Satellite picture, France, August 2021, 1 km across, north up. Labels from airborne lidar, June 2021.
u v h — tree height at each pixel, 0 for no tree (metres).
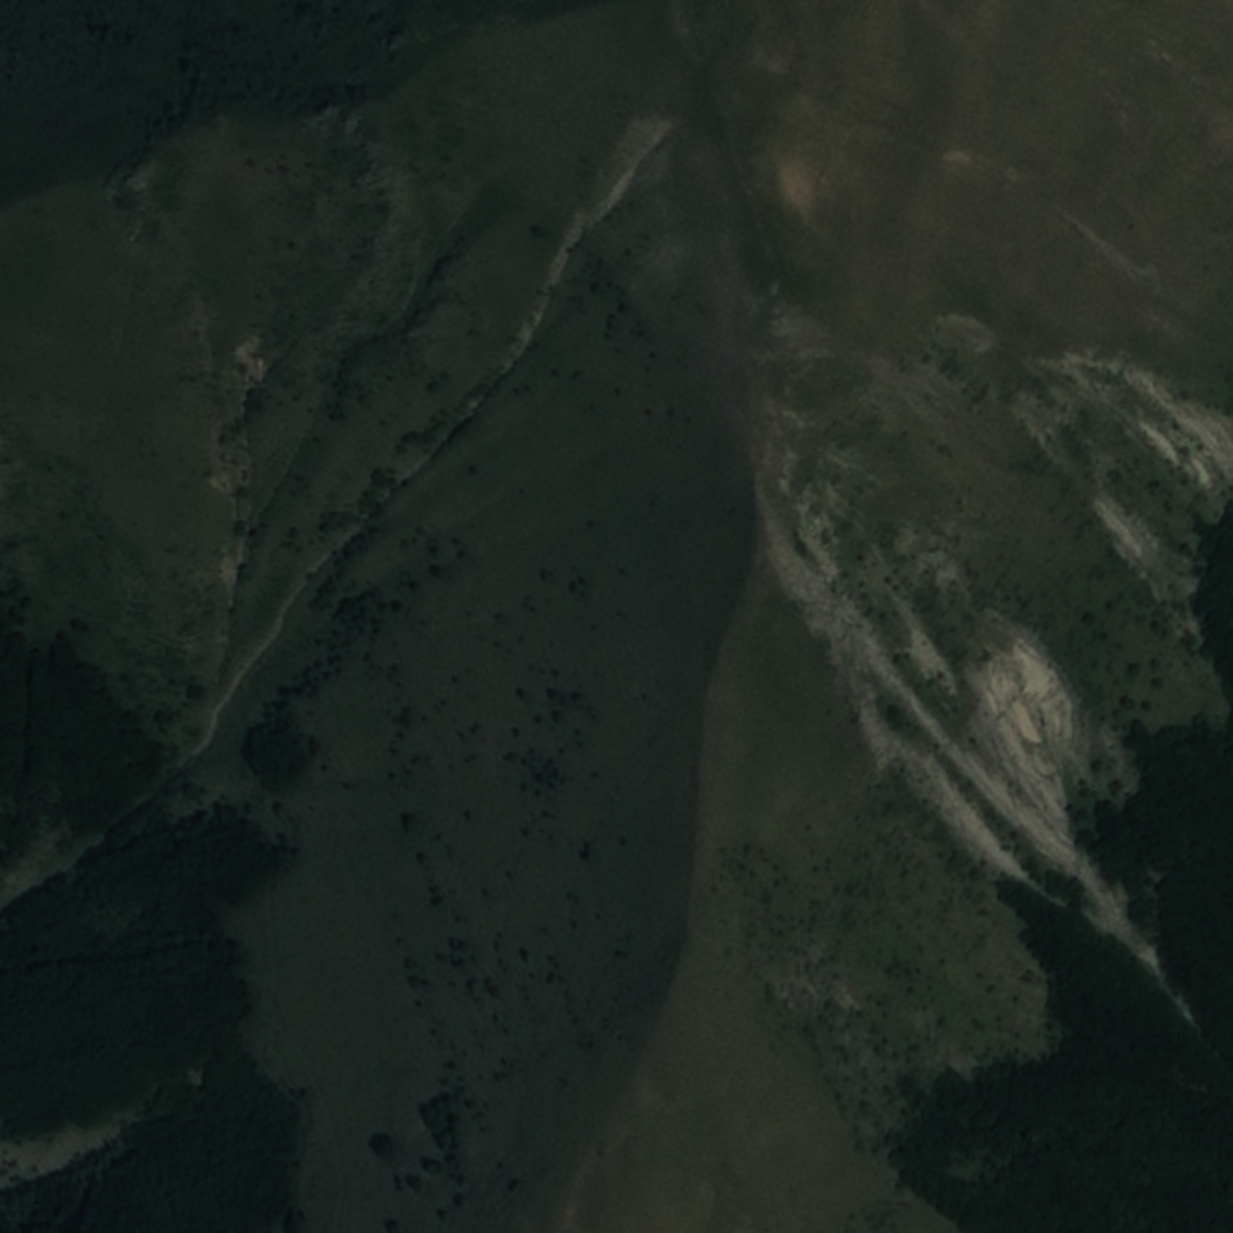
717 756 0
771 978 0
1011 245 0
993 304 0
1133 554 0
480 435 0
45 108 0
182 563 0
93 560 0
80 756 17
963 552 0
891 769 0
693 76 0
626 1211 0
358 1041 0
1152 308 0
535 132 0
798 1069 0
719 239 0
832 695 0
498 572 0
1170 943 12
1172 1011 15
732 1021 0
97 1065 13
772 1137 0
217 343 0
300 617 0
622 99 0
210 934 14
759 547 0
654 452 0
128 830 7
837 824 0
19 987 16
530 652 0
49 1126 10
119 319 0
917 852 0
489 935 0
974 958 0
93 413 0
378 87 0
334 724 0
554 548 0
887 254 0
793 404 0
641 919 0
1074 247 0
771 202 0
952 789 0
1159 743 14
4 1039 9
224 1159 11
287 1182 10
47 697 18
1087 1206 14
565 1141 0
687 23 0
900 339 0
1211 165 0
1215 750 14
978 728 0
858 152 0
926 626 0
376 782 0
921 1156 14
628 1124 0
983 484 0
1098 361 0
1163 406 0
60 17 0
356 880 0
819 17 0
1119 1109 14
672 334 0
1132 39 0
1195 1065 13
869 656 0
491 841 0
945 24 0
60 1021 11
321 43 0
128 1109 11
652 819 0
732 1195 0
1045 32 0
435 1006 0
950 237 0
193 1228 10
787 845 0
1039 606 0
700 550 0
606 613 0
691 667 0
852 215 0
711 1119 0
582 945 0
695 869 0
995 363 0
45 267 0
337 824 0
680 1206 0
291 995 0
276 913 0
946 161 0
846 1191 0
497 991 8
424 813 0
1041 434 0
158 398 0
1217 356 0
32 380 0
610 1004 0
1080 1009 11
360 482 0
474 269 0
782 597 0
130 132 0
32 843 7
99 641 0
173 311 0
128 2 0
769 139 0
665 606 0
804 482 0
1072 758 0
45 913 14
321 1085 0
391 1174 0
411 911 0
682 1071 0
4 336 0
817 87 0
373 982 0
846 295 0
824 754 0
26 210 0
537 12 0
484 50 0
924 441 0
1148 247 0
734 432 0
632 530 0
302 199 0
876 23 0
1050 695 0
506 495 0
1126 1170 17
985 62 0
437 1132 11
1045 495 0
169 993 10
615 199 0
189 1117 15
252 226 0
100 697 10
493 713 0
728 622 0
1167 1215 16
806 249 0
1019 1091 15
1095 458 0
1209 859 10
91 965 12
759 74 0
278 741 16
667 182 0
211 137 0
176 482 0
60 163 0
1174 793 11
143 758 15
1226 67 0
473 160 0
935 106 0
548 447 0
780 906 0
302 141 0
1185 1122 11
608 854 0
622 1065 0
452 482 0
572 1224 0
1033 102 0
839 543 0
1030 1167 14
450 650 0
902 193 0
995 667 0
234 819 10
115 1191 15
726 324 0
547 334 0
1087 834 9
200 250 0
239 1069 9
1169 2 0
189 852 21
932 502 0
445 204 0
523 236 0
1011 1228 14
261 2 0
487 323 0
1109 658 0
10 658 15
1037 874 7
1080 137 0
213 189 0
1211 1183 19
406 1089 0
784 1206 0
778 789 0
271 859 12
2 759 20
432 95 0
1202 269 0
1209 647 12
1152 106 0
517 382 0
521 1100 0
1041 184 0
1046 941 11
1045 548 0
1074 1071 17
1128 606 0
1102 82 0
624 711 0
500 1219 0
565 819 0
